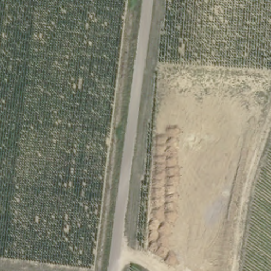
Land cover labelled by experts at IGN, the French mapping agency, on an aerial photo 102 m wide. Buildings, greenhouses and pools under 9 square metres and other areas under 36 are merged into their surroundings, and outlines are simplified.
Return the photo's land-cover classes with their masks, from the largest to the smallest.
<instances>
[{"label":"vineyard","instance_id":"1","mask_svg":"<svg viewBox=\"0 0 271 271\"><path fill-rule=\"evenodd\" d=\"M125 0H0V257L79 268H90L93 264L94 242L100 217V214H94V211H101L106 140L118 71ZM166 34L160 38V62H192L198 66L271 69V0H166ZM245 227L241 236V249L238 252V271H271V128L253 177L246 220H242Z\"/></svg>","mask_w":271,"mask_h":271},{"label":"pervious surface","instance_id":"2","mask_svg":"<svg viewBox=\"0 0 271 271\"><path fill-rule=\"evenodd\" d=\"M156 101L159 112L156 114L152 134L144 248L138 245L133 250L130 249L125 236L121 239V255L116 263V271H238V252L241 249V236L245 227L242 220H246L253 177L271 128V69L198 66L192 62H160L156 69Z\"/></svg>","mask_w":271,"mask_h":271},{"label":"herbaceous vegetation","instance_id":"3","mask_svg":"<svg viewBox=\"0 0 271 271\"><path fill-rule=\"evenodd\" d=\"M143 0H125L118 71L106 140L101 211H94V214H100V217L94 242L93 264L90 268H79L0 257V271H108ZM166 0H153L129 180L125 236L130 249L133 250L138 245L144 248L152 134L156 114L159 112L156 101V69L160 62V38L166 34Z\"/></svg>","mask_w":271,"mask_h":271},{"label":"impervious surface","instance_id":"4","mask_svg":"<svg viewBox=\"0 0 271 271\"><path fill-rule=\"evenodd\" d=\"M153 0H143L108 271H116V263L121 255V239L125 236L129 180Z\"/></svg>","mask_w":271,"mask_h":271}]
</instances>
